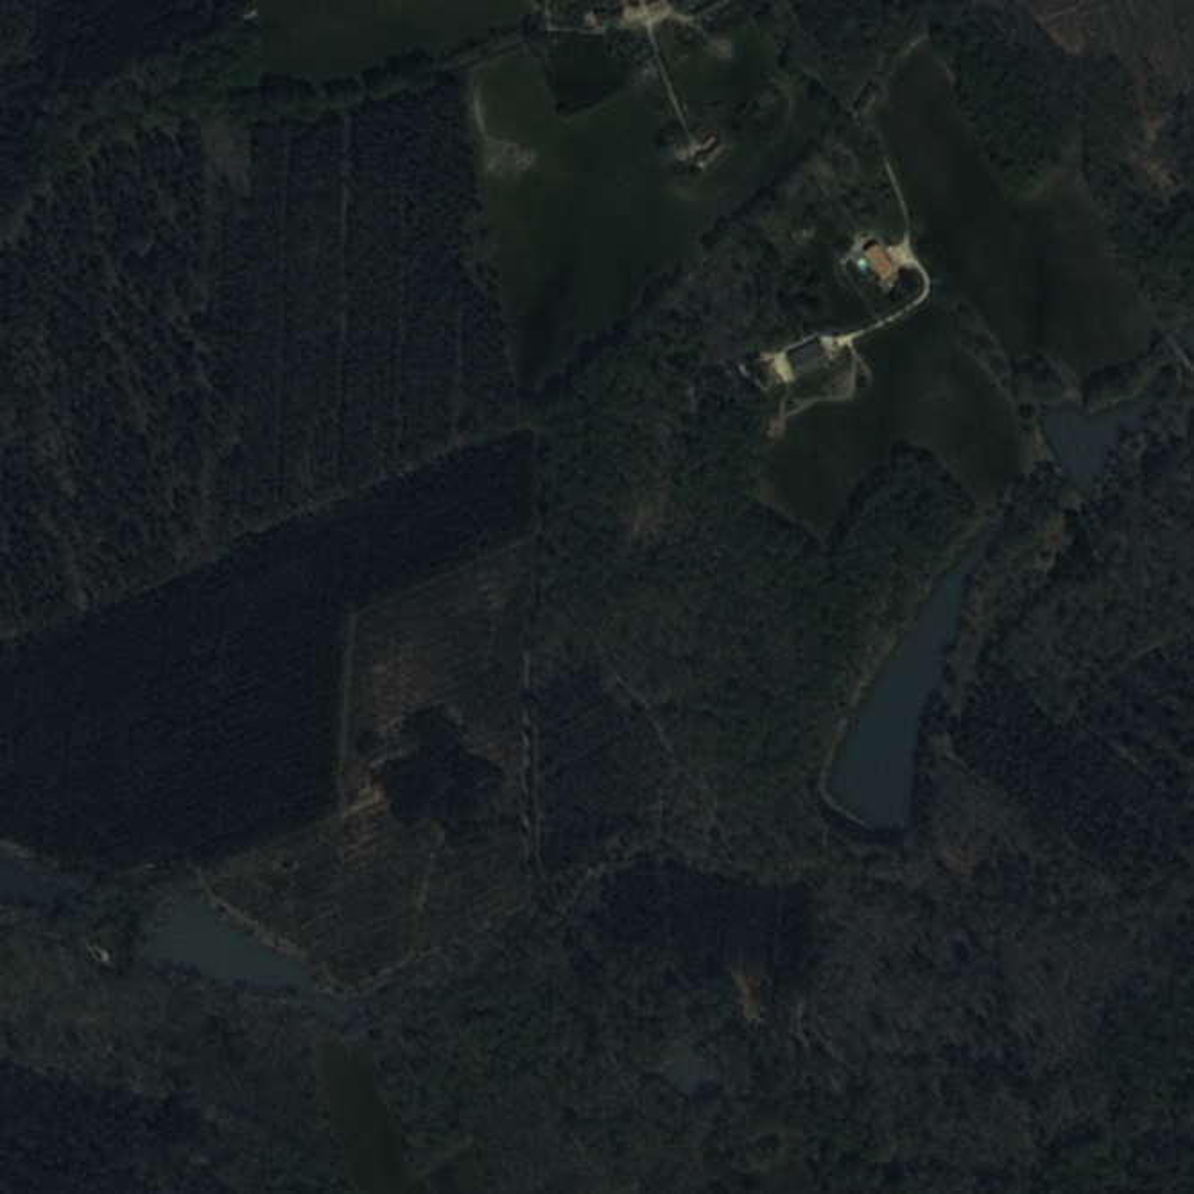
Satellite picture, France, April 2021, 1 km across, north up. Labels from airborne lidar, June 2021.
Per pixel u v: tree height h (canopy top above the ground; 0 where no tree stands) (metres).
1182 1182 21
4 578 22
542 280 0
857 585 25
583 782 14
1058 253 0
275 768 14
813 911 10
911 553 21
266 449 15
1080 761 17
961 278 0
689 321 8
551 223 0
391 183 16
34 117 11
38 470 22
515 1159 15
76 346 20
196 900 8
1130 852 15
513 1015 18
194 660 12
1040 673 13
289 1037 11
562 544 18
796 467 0
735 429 22
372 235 14
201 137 20
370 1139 0
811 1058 24
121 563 21
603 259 0
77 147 18
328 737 14
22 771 12
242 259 14
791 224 0
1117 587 19
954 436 0
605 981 20
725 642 22
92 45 10
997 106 24
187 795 14
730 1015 17
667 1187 14
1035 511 16
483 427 20
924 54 0
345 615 15
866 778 0
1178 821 14
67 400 20
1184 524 11
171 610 15
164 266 17
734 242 10
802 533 12
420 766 12
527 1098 11
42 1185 17
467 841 9
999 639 8
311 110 20
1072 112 19
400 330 15
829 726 18
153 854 13
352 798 6
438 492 12
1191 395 14
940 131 0
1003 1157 16
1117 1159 15
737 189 0
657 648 18
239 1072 11
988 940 11
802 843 20
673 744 13
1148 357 10
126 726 13
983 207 0
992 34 23
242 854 12
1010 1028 13
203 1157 12
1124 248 18
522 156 0
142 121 18
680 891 11
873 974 9
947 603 0
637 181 0
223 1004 8
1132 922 14
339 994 13
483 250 0
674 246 0
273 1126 15
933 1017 10
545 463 18
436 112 15
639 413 21
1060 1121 8
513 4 0
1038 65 20
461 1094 19
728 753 23
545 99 0
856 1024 16
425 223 15
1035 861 7
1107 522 15
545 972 12
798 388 0
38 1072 11
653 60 8
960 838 11
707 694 14
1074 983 12
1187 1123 9
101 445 23
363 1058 0
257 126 17
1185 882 18
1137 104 11
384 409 12
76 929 21
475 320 16
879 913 13
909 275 8
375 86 18
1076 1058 8
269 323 16
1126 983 13
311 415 15
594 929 13
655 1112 20
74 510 19
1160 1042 20
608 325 0
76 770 13
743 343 6
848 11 15
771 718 25
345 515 14
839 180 14
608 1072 16
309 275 13
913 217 11
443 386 15
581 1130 23
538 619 17
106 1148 14
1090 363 0
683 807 10
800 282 13
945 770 11
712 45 0
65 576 21
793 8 17
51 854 14
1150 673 15
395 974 11
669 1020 23
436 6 0
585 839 14
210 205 15
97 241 19
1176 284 24
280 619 13
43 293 20
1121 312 0
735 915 12
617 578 20
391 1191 0
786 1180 6
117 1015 14
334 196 13
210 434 17
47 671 12
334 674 13
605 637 15
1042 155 22
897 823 0
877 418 0
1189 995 14
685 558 14
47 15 6
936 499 24
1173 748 9
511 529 14
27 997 15
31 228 13
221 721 12
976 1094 13
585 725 12
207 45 21
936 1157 10
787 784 23
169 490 22
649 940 20
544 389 0
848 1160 22
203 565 10
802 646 19
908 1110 19
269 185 16
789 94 0
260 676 14
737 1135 19
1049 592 12
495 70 0
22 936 18
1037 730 18
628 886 17
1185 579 16
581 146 0
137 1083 18
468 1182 0
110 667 14
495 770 11
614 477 20
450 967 18
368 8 0
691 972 8
